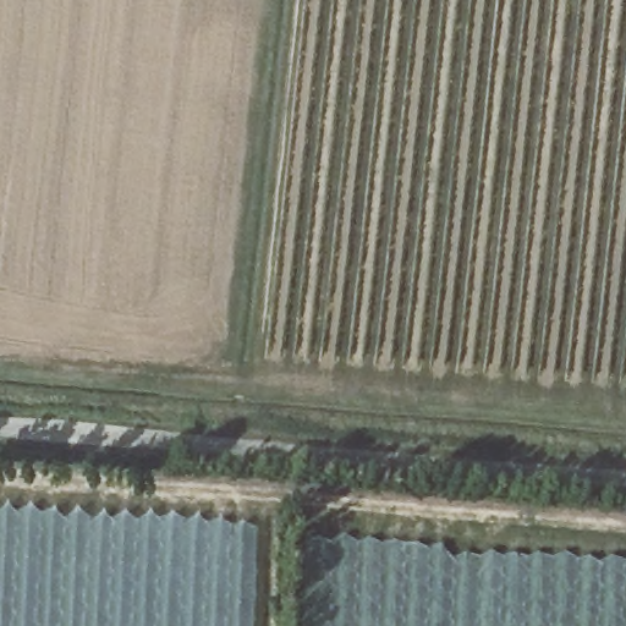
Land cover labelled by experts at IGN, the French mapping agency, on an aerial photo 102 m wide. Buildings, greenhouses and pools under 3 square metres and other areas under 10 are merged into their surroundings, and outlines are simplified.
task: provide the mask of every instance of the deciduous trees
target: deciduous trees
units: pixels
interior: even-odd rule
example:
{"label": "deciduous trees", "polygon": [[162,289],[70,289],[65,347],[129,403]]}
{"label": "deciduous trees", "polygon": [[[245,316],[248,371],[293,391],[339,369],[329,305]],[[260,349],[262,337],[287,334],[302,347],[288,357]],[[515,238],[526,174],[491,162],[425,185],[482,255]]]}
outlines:
{"label": "deciduous trees", "polygon": [[[553,457],[540,445],[528,445],[516,438],[499,435],[462,438],[381,428],[355,428],[345,433],[340,428],[330,428],[315,421],[281,416],[284,403],[291,403],[293,394],[279,386],[254,384],[252,377],[237,377],[235,384],[176,381],[174,374],[188,374],[191,367],[147,362],[139,374],[120,374],[108,389],[0,379],[0,428],[10,418],[34,418],[34,425],[22,428],[17,438],[0,438],[0,626],[626,626],[626,533],[545,523],[518,526],[506,518],[450,521],[372,511],[355,514],[350,509],[330,511],[328,501],[352,492],[362,492],[364,496],[435,496],[445,501],[489,501],[504,506],[626,514],[626,457],[621,457],[616,450],[599,450],[584,457],[577,450],[570,450],[567,457]],[[132,443],[144,430],[176,430],[179,438],[132,447]],[[293,450],[257,447],[245,455],[235,455],[235,443],[240,438],[286,440],[293,443]],[[81,470],[86,474],[86,494],[42,494],[5,487],[5,479],[32,482],[34,474],[49,474],[51,482],[64,484],[71,479],[73,470]],[[110,487],[132,487],[134,492],[130,494],[130,499],[100,499],[100,474],[108,474]],[[157,474],[169,479],[208,482],[262,479],[271,482],[284,499],[279,504],[247,501],[245,511],[237,511],[237,504],[227,501],[225,518],[215,518],[215,509],[210,501],[183,504],[159,499],[154,492]]]}

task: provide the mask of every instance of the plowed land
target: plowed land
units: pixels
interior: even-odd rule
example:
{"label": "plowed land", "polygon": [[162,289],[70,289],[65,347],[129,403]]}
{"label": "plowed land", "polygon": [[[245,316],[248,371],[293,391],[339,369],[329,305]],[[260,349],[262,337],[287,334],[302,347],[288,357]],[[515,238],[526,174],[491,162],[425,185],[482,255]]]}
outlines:
{"label": "plowed land", "polygon": [[147,362],[191,367],[198,362],[198,357],[210,352],[215,342],[227,340],[230,279],[235,271],[235,237],[240,223],[242,174],[247,157],[247,112],[254,88],[254,59],[264,0],[0,0],[0,355],[17,355],[20,359],[68,357],[95,362]]}

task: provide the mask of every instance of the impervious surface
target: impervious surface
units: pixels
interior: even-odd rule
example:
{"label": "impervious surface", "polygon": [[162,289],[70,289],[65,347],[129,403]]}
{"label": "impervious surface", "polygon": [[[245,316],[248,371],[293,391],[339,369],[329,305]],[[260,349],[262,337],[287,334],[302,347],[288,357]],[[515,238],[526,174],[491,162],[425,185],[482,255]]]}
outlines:
{"label": "impervious surface", "polygon": [[17,438],[22,428],[34,425],[34,418],[10,418],[0,428],[0,438]]}

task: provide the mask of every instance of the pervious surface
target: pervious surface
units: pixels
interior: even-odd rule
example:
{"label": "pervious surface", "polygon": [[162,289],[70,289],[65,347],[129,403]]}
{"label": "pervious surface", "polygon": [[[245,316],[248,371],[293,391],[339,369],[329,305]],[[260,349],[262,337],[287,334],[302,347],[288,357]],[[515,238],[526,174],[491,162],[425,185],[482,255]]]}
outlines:
{"label": "pervious surface", "polygon": [[32,482],[5,479],[5,487],[42,494],[86,494],[86,474],[81,470],[73,470],[71,479],[64,484],[51,482],[49,474],[34,474]]}
{"label": "pervious surface", "polygon": [[157,474],[154,492],[159,499],[183,504],[210,501],[215,509],[215,518],[225,518],[227,501],[237,504],[237,511],[245,511],[247,501],[279,504],[284,499],[271,482],[262,479],[208,482],[169,479]]}
{"label": "pervious surface", "polygon": [[130,499],[130,494],[134,492],[132,487],[110,487],[108,474],[100,474],[100,499]]}
{"label": "pervious surface", "polygon": [[364,496],[362,492],[352,492],[328,501],[330,511],[350,509],[355,514],[372,511],[450,521],[506,518],[518,526],[545,523],[626,533],[626,514],[504,506],[489,501],[445,501],[435,496]]}

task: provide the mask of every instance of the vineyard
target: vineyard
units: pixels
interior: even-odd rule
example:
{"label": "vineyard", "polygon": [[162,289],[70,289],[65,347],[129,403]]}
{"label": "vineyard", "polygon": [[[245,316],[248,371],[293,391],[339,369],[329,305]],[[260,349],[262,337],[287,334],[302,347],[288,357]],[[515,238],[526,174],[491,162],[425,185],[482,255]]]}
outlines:
{"label": "vineyard", "polygon": [[144,430],[132,443],[132,447],[179,438],[176,430]]}
{"label": "vineyard", "polygon": [[17,355],[0,355],[0,379],[108,389],[120,374],[139,374],[147,362],[95,362],[68,357],[20,359]]}
{"label": "vineyard", "polygon": [[235,455],[245,455],[257,447],[293,450],[293,443],[286,440],[240,438],[235,443]]}
{"label": "vineyard", "polygon": [[345,433],[355,428],[381,428],[462,438],[499,435],[516,438],[528,445],[540,445],[553,457],[567,457],[570,450],[577,450],[584,457],[599,450],[616,450],[621,457],[626,457],[626,0],[293,0],[279,157],[271,198],[271,232],[267,245],[262,318],[257,333],[257,340],[264,345],[264,352],[254,355],[252,377],[254,384],[279,386],[293,394],[291,403],[284,403],[281,416],[315,421],[330,428],[340,428]]}

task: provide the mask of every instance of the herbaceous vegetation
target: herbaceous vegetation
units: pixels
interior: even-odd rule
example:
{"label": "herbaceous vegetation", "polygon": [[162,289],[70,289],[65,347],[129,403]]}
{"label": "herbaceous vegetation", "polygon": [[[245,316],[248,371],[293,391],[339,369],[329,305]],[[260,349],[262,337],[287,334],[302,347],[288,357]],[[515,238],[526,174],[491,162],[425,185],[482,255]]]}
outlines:
{"label": "herbaceous vegetation", "polygon": [[264,352],[264,345],[257,340],[257,333],[262,318],[267,245],[271,232],[271,198],[279,157],[293,0],[264,0],[254,59],[254,88],[247,112],[247,157],[242,174],[240,223],[235,237],[235,271],[230,279],[227,340],[215,342],[210,352],[198,357],[198,362],[191,367],[188,374],[174,374],[176,381],[235,384],[237,377],[252,377],[254,355]]}

